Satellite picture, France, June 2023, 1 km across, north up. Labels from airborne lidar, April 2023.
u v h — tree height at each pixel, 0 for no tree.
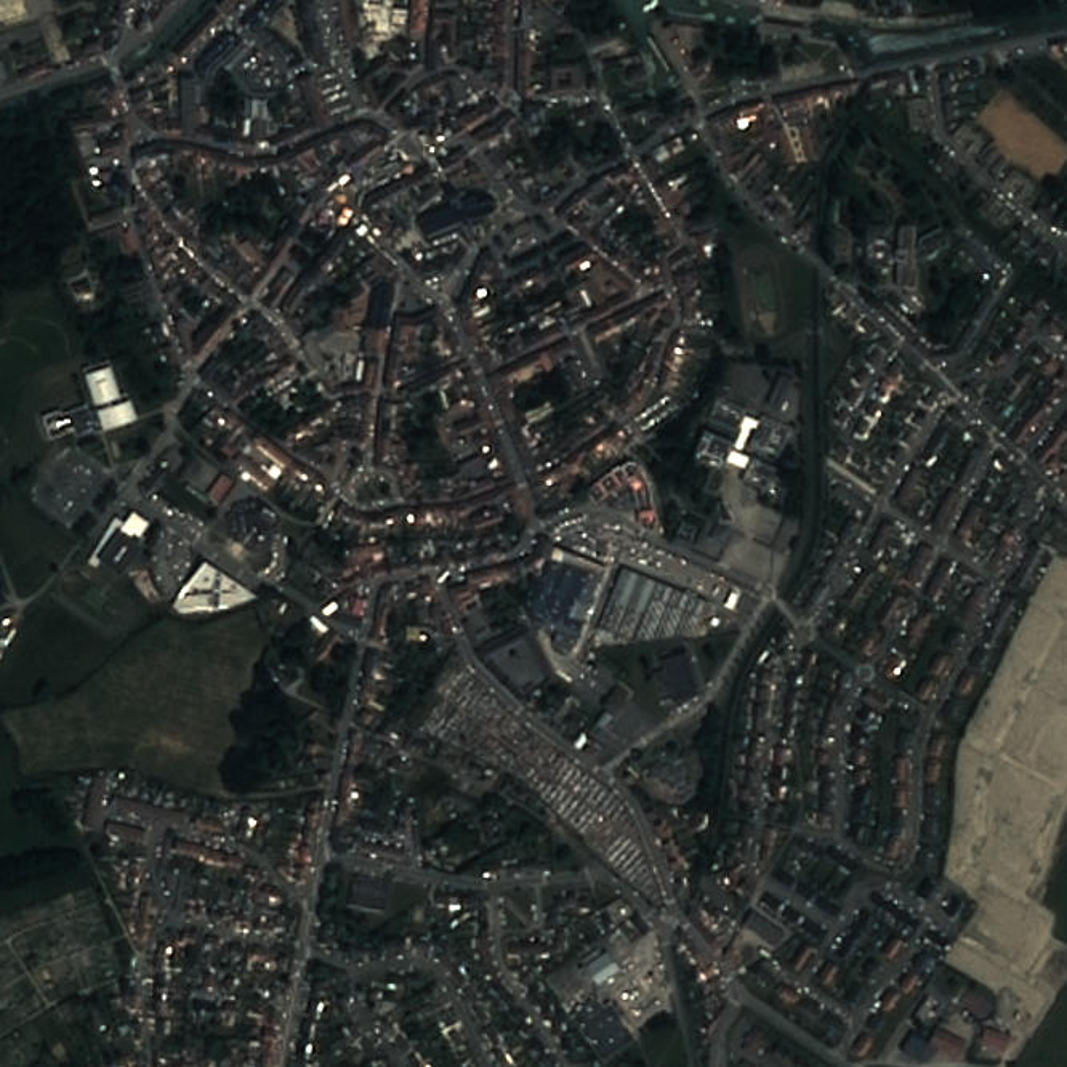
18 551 0
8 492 0
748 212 0
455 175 0
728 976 0
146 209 0
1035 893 0
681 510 12
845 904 0
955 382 0
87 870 0
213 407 0
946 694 0
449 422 0
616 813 0
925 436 0
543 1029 0
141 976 0
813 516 0
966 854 0
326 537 11
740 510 0
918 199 18
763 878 0
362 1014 0
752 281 0
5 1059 0
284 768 5
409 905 0
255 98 0
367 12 0
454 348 0
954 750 0
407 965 0
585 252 0
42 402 0
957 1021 0
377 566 0
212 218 11
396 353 0
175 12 0
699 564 0
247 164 0
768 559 0
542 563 0
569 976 0
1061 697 0
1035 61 0
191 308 12
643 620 0
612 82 0
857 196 0
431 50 0
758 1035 0
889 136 0
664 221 0
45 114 22
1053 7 22
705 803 8
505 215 0
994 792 0
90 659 0
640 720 0
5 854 0
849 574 0
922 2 0
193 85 0
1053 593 0
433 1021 0
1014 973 0
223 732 0
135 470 0
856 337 0
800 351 0
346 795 0
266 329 0
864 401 0
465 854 0
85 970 0
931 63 0
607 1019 0
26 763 0
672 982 0
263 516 0
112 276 18
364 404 0
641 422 0
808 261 0
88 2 0
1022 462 0
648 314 0
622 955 0
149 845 0
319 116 0
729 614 0
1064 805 0
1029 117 0
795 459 15
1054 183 13
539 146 16
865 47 0
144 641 0
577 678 0
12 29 0
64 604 0
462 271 0
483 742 0
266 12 0
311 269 0
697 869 10
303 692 0
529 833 11
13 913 0
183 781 0
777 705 0
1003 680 0
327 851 0
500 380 0
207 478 0
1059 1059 0
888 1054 0
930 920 0
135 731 0
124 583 0
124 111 0
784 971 0
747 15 0
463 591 0
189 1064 0
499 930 0
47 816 14
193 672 0
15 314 0
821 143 0
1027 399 0
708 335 0
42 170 24
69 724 0
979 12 24
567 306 8
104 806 0
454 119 0
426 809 0
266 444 0
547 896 0
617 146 6
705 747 15
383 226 0
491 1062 0
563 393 7
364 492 0
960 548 0
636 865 0
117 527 0
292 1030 0
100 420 0
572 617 0
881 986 0
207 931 0
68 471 0
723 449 0
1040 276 7
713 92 0
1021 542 0
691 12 0
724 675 0
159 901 0
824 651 0
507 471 0
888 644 0
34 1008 0
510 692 0
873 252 0
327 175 0
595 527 0
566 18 13
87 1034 7
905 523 0
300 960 0
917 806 0
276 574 0
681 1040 0
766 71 14
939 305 0
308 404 11
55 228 26
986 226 0
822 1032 0
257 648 0
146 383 9
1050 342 0
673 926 0
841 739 0
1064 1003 0
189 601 0
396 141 0
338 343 0
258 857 0
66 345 0
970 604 0
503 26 0
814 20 0
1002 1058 0
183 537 0
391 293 0
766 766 0
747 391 0
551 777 0
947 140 0
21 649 0
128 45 0
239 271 0
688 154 0
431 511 0
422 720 0
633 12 0
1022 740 0
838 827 0
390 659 0
